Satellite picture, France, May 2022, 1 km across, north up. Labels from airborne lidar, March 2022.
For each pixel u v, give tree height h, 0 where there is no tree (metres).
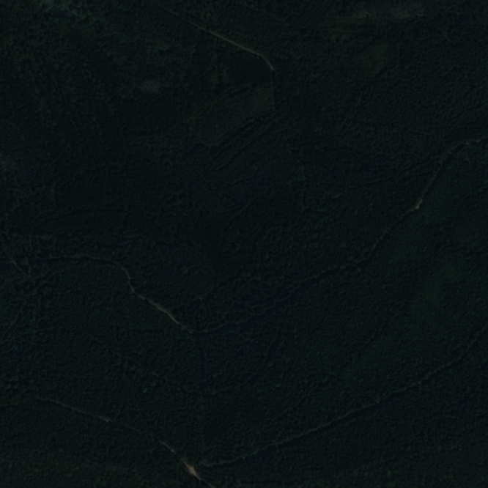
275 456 20
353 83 10
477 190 14
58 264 13
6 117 22
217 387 28
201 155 22
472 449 16
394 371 16
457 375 15
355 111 16
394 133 15
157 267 30
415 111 16
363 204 16
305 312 17
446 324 12
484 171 14
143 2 10
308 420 14
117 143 17
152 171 16
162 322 11
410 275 14
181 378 14
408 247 8
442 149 12
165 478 18
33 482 9
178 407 23
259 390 18
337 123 13
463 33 24
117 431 13
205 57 22
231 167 27
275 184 15
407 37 10
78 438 18
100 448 21
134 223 12
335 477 15
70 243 14
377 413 13
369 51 20
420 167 13
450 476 14
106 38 28
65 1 19
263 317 24
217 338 21
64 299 21
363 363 9
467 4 24
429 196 10
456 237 10
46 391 17
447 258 6
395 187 18
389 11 26
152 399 23
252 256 17
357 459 13
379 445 13
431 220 9
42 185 25
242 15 11
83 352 18
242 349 24
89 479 14
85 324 21
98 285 16
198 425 15
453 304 9
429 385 18
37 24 11
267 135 26
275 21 10
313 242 18
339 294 20
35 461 14
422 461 17
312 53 5
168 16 13
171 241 14
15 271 38
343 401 18
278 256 22
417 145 9
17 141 26
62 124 18
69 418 17
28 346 16
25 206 20
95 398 18
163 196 10
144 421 14
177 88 18
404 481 18
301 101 16
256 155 22
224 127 6
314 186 20
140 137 23
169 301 27
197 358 15
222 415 12
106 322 22
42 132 20
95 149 18
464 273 7
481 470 15
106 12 21
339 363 13
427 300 10
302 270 23
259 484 21
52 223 18
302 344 13
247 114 6
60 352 18
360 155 15
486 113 12
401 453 15
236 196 27
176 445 16
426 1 27
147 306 16
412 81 14
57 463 6
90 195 17
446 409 12
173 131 21
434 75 17
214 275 19
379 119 14
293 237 14
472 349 11
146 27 28
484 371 20
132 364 23
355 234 17
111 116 19
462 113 15
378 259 15
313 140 15
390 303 14
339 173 27
